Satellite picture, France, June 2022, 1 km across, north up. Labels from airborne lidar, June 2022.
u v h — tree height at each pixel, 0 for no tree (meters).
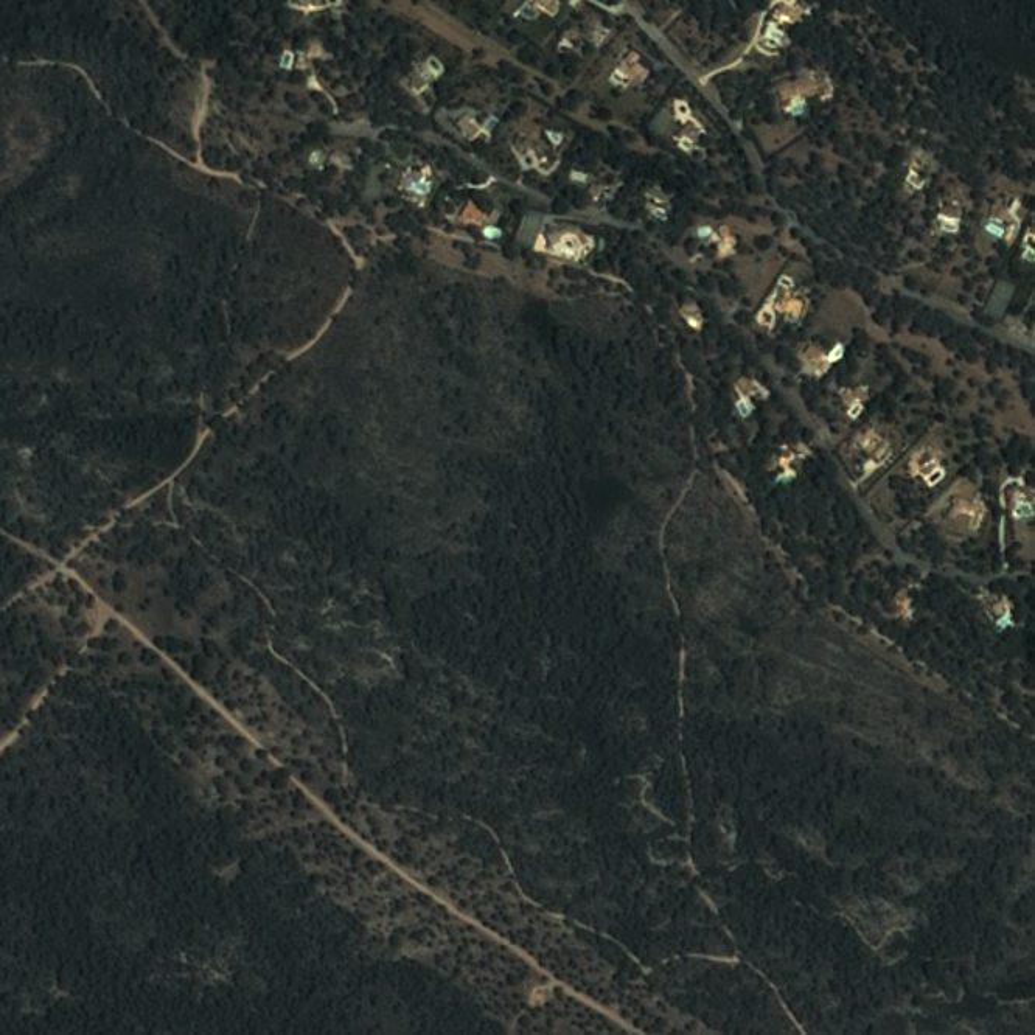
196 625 0
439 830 6
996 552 11
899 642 10
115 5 15
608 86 0
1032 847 8
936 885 9
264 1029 10
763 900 10
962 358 10
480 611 10
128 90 10
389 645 0
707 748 8
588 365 12
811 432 13
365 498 0
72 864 12
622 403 12
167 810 13
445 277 0
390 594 12
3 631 10
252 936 7
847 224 17
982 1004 0
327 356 0
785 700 0
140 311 10
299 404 0
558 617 13
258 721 9
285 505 7
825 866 8
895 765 0
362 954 6
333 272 0
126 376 12
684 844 9
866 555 13
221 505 8
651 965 6
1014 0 11
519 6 0
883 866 10
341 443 11
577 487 10
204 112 0
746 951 9
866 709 0
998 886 10
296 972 11
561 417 14
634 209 14
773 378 16
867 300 12
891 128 12
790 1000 9
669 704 10
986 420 12
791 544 16
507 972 8
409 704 9
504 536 10
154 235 0
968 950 9
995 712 11
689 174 15
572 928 8
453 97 6
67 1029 10
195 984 8
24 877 13
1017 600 18
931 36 11
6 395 11
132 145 9
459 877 7
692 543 0
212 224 8
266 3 20
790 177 16
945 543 12
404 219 13
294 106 13
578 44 7
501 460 7
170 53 7
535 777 8
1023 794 10
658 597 0
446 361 9
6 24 7
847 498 14
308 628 9
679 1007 9
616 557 0
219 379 10
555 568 9
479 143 10
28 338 14
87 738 10
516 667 12
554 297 0
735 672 9
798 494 20
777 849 11
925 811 9
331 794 10
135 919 9
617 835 7
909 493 14
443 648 8
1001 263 12
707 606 0
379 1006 11
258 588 9
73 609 9
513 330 10
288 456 11
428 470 0
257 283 8
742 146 14
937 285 0
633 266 18
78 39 10
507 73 16
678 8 6
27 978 11
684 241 14
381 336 0
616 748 9
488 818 8
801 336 15
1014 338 0
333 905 7
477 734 11
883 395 6
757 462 16
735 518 0
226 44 7
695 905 8
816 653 0
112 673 10
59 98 9
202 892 11
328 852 10
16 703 11
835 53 10
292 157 10
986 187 16
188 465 0
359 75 15
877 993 7
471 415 8
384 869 12
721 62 12
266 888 6
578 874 9
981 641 15
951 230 0
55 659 10
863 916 0
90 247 0
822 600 13
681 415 13
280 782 14
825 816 10
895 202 13
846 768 9
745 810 10
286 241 0
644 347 12
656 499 0
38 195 9
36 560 9
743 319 19
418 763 7
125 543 9
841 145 18
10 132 0
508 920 10
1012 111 12
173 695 12
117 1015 13
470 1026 8
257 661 7
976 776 0
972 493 0
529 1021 9
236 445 10
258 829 8
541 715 8
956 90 19
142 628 0
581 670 7
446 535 8
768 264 0
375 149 16
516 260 7
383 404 0
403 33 14
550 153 7
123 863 10
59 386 12
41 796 11
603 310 0
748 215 15
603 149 19
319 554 9
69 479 10
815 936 9
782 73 12
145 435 15
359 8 19
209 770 0
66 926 12
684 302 19
